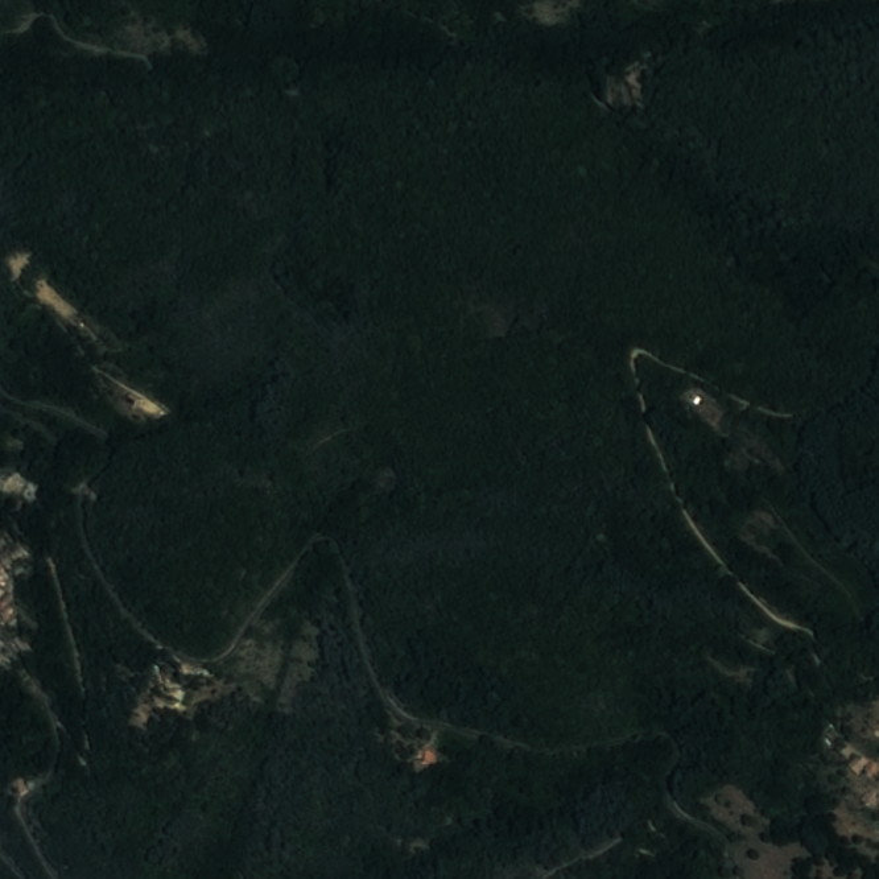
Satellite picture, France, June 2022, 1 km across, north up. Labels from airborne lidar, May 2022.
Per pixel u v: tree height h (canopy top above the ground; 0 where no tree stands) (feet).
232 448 35
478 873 31
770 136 44
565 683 29
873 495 95
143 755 41
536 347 48
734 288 72
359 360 32
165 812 42
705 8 21
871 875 46
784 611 21
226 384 37
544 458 61
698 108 54
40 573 40
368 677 62
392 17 69
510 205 48
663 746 79
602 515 55
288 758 35
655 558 49
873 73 56
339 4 55
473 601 56
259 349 31
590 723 38
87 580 30
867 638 37
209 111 40
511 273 39
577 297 39
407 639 34
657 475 53
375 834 34
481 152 70
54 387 51
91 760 56
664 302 62
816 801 59
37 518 41
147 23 29
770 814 42
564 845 34
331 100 50
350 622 27
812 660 38
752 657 53
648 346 51
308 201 38
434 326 47
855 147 46
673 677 41
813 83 57
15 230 44
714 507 38
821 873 22
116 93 37
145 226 31
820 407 50
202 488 34
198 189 52
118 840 43
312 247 61
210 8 51
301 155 45
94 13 50
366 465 56
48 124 54
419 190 62
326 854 19
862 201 54
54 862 28
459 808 20
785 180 68
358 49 87
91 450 75
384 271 60
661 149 54
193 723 32
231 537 36
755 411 28
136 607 31
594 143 66
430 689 77
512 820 42
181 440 36
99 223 54
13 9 20
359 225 53
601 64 41
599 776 55
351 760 39
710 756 51
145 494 48
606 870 23
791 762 19
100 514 45
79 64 68
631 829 42
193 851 33
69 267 46
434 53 73
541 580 54
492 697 72
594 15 27
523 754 62
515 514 38
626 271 63
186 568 41
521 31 51
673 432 80
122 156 55
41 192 55
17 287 21
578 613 42
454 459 39
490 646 62
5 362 40
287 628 43
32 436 47
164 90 42
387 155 51
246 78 45
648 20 32
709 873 46
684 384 51
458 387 53
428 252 60
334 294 27
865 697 49
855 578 0
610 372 43
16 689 26
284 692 0
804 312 57
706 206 44
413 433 57
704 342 60
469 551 31
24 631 52
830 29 83
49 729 23
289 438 51
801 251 68
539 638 59
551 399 48
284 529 39
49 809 30
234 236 29
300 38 81
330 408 54
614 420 36
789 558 35
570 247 30
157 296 19
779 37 61
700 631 47
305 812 30
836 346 66
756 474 34
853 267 64
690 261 48
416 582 42
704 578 50
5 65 55
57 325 27
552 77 36
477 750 24
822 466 85
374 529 56
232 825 29
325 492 73
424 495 75
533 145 54
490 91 48
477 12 39
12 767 59
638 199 40
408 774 54
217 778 32
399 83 62
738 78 40
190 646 32
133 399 0
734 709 43
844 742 26
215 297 43
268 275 44
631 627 35
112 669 25
